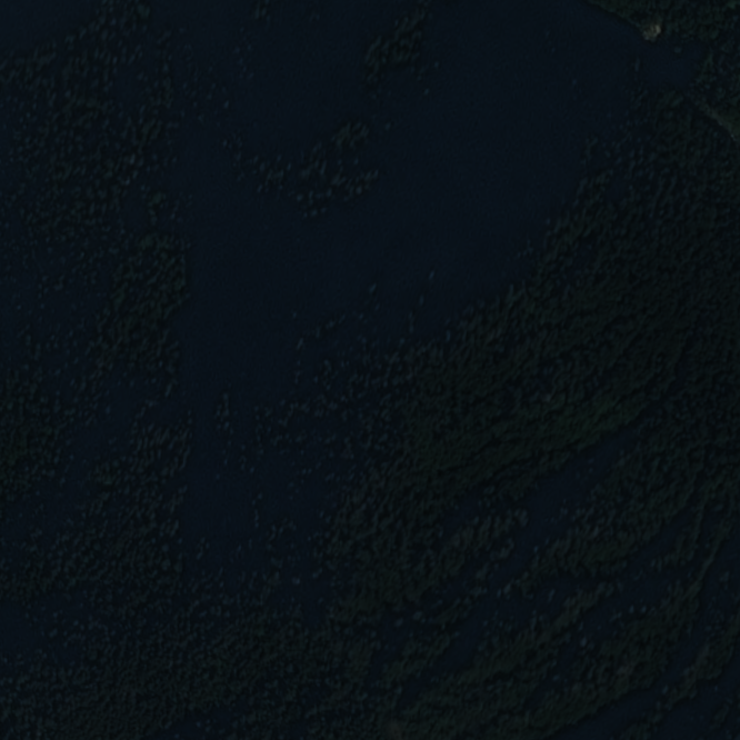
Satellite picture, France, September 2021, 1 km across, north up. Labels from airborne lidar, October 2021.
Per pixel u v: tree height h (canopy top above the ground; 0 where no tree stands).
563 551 30
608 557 21
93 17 40
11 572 14
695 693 11
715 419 14
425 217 26
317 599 6
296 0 14
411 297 27
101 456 16
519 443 16
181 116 31
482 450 16
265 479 11
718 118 24
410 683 8
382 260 22
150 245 31
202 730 23
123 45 38
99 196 30
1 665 35
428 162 6
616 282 27
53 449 16
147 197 24
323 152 20
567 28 16
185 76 35
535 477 20
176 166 31
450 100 27
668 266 27
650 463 19
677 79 0
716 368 19
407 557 7
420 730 10
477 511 23
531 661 13
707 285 25
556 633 13
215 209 23
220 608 15
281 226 25
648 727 20
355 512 8
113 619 15
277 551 8
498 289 25
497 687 8
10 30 37
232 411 17
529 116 31
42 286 25
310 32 15
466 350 37
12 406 20
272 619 12
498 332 21
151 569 11
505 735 9
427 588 8
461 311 20
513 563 7
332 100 39
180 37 33
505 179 25
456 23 33
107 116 42
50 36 44
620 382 25
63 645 34
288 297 17
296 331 7
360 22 14
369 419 20
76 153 30
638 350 21
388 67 36
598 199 20
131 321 20
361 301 16
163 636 27
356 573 8
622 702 8
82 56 27
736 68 24
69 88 27
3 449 28
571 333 29
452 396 24
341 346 23
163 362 18
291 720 8
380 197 15
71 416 23
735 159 8
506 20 24
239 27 39
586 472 19
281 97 15
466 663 9
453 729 6
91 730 25
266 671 14
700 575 13
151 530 14
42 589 24
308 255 26
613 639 7
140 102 33
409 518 17
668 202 29
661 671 21
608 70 18
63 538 33
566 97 27
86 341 22
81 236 21
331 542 16
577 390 21
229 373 17
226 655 12
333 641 8
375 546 14
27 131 23
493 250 23
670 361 19
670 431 22
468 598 9
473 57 30
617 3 17
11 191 27
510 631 19
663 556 9
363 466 11
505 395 27
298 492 17
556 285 27
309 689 6
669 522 16
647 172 36
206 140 28
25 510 26
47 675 26
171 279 24
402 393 12
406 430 12
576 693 14
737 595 25
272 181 32
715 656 19
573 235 29
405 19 23
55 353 26
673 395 13
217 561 8
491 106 26
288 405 18
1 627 24
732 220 16
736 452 11
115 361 26
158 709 26
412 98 29
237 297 8
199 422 8
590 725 7
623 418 17
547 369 25
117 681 25
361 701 13
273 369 19
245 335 13
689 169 12
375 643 11
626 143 40
